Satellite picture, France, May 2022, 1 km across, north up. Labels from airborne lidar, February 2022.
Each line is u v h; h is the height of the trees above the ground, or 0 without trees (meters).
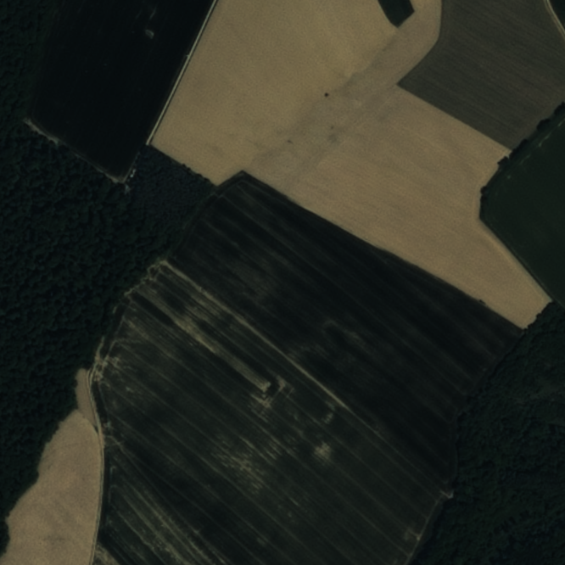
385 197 0
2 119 26
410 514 0
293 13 0
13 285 32
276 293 0
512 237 0
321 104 0
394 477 0
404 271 0
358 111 0
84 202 30
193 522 0
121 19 0
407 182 0
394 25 0
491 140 0
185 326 0
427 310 0
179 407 0
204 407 0
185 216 21
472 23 0
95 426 0
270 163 0
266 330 0
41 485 0
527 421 11
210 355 0
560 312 13
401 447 0
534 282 0
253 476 0
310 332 0
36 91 0
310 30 0
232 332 0
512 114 0
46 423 29
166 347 0
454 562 34
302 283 0
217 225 0
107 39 0
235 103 0
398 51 0
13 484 31
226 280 0
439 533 21
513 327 0
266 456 0
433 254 0
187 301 0
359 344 0
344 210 0
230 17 0
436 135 0
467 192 0
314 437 0
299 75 0
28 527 0
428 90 0
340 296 0
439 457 0
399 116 0
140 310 0
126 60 0
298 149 0
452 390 0
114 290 29
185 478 0
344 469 0
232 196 0
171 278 0
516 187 0
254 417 0
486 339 0
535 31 0
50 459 0
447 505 19
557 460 14
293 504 0
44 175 31
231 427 0
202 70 0
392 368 0
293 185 0
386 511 0
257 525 0
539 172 0
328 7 0
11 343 30
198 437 0
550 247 0
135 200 27
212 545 0
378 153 0
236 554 0
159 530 0
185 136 0
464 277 0
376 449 0
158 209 26
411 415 0
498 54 0
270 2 0
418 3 0
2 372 32
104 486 0
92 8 0
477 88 0
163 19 0
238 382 0
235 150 0
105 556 0
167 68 0
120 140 0
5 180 26
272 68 0
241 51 0
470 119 0
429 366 0
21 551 0
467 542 31
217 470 0
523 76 0
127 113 0
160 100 0
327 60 0
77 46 0
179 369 0
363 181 0
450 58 0
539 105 0
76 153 0
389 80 0
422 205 0
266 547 0
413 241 0
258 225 0
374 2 0
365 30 0
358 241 0
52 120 0
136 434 0
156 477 0
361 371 0
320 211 0
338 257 0
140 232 28
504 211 0
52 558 0
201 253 0
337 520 0
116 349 0
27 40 29
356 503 0
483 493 29
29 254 31
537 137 0
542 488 14
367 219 0
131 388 0
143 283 0
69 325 35
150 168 21
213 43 0
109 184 11
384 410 0
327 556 0
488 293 0
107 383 0
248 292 0
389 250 0
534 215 0
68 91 0
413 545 0
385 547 0
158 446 0
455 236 0
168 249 16
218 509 0
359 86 0
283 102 0
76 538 0
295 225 0
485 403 13
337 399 0
